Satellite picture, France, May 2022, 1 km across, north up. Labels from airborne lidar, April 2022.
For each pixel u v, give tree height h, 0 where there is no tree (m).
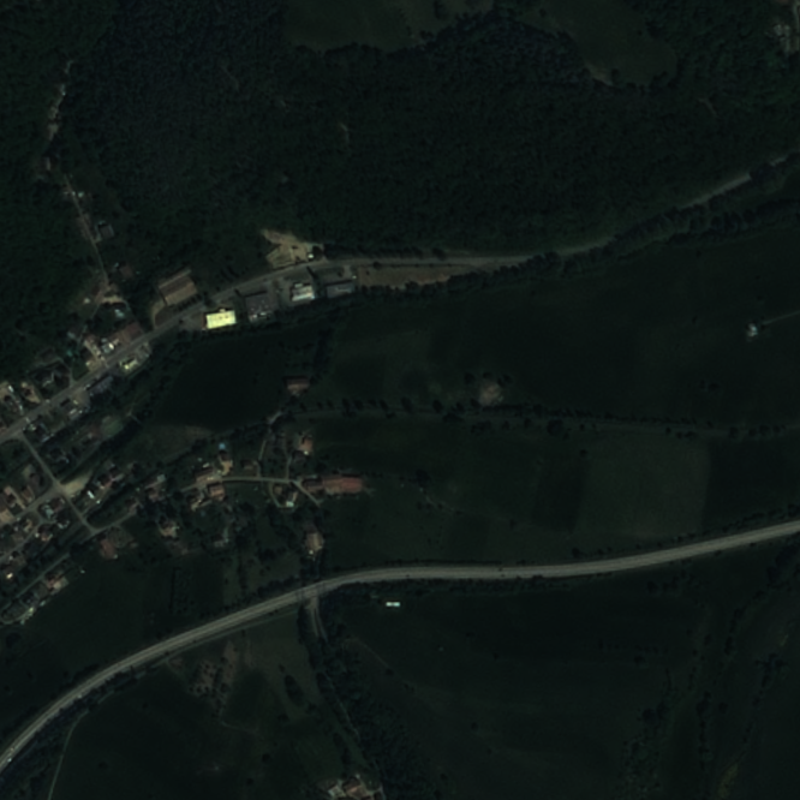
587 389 0
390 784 7
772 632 0
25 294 17
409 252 19
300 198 22
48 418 0
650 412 0
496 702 0
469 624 0
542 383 0
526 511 0
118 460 8
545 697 0
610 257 20
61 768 0
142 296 16
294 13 0
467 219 13
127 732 0
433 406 0
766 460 0
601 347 0
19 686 0
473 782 0
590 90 21
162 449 0
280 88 13
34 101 17
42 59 24
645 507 0
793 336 0
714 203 14
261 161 21
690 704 0
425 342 0
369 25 0
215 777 0
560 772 0
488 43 22
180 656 0
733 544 0
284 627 0
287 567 0
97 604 0
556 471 0
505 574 0
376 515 0
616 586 0
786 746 0
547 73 21
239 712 0
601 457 0
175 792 0
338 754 0
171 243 26
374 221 22
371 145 18
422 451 0
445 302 0
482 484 0
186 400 0
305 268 0
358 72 18
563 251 0
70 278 19
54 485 0
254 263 0
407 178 15
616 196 15
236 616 0
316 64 18
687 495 0
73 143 0
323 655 13
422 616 0
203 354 0
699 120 22
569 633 0
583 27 0
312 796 8
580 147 13
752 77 25
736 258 0
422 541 0
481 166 17
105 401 18
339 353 0
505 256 0
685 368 0
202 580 0
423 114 11
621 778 9
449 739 0
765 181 37
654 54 0
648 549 0
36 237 21
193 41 22
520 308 0
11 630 0
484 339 0
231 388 0
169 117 20
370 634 0
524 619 0
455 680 0
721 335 0
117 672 0
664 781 0
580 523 0
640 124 23
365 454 0
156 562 8
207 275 0
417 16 0
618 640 0
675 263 0
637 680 0
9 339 23
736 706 0
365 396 0
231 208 18
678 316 0
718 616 0
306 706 11
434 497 0
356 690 12
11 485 0
